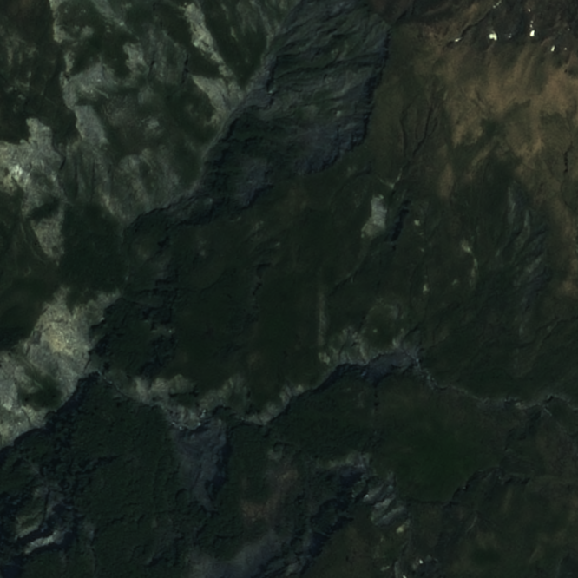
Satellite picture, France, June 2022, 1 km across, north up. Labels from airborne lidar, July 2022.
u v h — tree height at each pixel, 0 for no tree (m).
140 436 6
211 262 0
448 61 0
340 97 0
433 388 0
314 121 0
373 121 0
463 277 0
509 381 0
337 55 0
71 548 10
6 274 0
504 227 0
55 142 0
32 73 0
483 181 0
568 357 0
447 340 0
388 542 0
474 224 0
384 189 0
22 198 0
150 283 0
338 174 0
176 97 0
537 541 0
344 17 0
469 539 0
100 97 0
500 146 0
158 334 0
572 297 0
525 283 0
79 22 0
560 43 0
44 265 0
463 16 0
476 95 0
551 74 0
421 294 0
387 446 0
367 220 0
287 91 0
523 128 0
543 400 0
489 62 0
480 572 0
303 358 0
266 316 0
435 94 0
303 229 0
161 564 6
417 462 0
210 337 0
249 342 0
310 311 0
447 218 0
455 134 0
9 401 0
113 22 0
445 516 0
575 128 0
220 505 6
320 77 0
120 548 5
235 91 0
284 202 0
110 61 0
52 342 0
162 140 0
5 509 6
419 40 0
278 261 0
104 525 6
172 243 8
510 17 0
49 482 8
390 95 0
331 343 0
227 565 0
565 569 0
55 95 0
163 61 0
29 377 0
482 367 0
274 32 0
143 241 0
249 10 0
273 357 0
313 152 0
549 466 0
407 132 0
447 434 0
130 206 0
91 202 0
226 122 0
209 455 0
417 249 0
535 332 0
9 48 0
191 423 0
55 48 0
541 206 0
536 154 0
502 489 0
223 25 0
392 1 0
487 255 0
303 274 0
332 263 0
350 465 0
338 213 0
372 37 0
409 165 0
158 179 0
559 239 0
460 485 0
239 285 0
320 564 0
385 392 0
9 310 0
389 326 0
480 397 0
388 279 0
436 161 0
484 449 0
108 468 6
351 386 0
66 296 0
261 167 0
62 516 7
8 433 0
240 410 0
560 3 0
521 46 0
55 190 0
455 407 0
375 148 0
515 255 0
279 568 0
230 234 0
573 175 0
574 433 0
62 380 0
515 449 0
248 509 0
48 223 0
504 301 0
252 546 0
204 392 0
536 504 0
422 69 0
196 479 0
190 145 0
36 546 0
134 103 0
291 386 0
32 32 0
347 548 0
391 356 0
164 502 6
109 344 11
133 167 0
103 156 0
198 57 0
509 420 0
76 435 9
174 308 7
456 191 0
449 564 0
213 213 7
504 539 0
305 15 0
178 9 0
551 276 0
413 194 0
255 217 0
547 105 0
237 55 0
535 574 0
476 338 0
